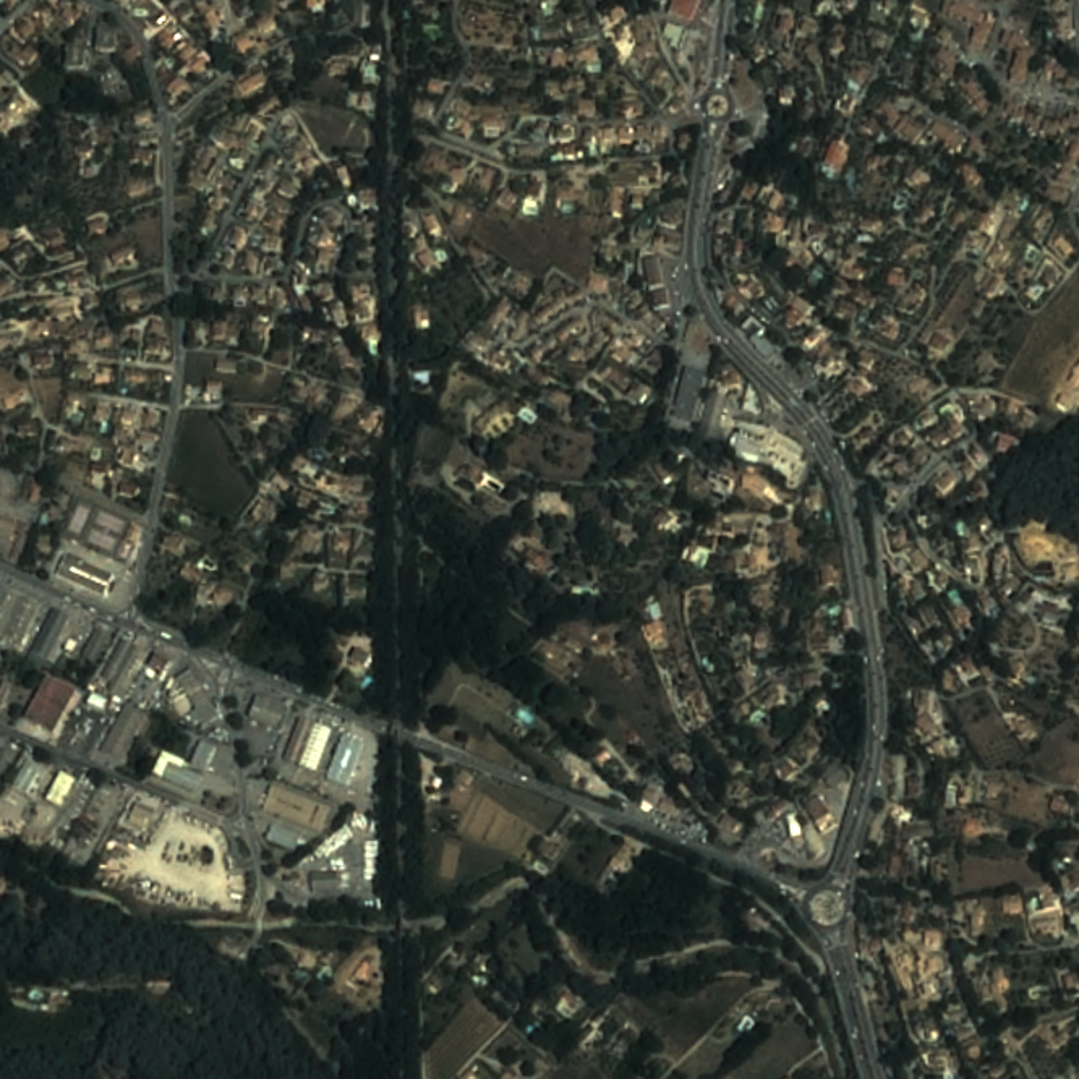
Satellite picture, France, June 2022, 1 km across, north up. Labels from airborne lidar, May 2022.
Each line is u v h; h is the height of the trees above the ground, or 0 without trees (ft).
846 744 31
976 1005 27
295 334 25
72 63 0
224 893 0
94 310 20
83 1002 37
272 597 49
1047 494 74
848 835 0
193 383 0
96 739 0
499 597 45
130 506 17
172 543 0
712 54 0
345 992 0
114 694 0
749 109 0
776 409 0
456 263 34
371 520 30
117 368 21
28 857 33
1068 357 0
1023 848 34
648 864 45
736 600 64
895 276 0
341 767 0
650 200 30
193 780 0
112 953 54
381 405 28
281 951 47
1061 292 0
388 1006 45
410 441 36
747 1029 0
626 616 34
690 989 48
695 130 28
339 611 39
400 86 25
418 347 46
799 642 21
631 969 50
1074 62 45
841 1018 30
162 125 0
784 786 46
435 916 42
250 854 0
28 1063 73
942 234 32
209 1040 69
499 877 26
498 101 26
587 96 26
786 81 30
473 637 47
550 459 48
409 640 39
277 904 31
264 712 0
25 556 40
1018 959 22
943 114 20
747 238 53
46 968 83
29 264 22
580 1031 39
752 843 0
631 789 47
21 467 40
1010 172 27
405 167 19
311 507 32
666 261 0
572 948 0
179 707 0
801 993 43
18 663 31
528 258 0
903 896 38
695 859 38
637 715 0
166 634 0
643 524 34
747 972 22
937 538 23
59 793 0
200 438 0
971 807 22
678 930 24
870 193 0
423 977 45
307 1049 35
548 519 54
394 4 42
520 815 0
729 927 23
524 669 62
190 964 67
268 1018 46
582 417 45
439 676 46
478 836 0
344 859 0
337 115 0
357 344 43
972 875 0
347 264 47
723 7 0
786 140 24
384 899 41
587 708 0
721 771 46
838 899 0
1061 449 76
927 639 25
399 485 31
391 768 26
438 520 32
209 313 44
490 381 29
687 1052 0
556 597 31
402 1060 38
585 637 0
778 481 43
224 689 0
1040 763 0
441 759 45
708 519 48
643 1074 39
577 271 0
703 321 0
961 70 46
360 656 0
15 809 0
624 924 41
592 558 21
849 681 38
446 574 28
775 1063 0
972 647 28
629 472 45
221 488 0
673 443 41
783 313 19
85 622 0
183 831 0
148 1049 77
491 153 0
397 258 65
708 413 0
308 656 22
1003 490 62
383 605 52
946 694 21
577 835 36
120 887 0
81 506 0
